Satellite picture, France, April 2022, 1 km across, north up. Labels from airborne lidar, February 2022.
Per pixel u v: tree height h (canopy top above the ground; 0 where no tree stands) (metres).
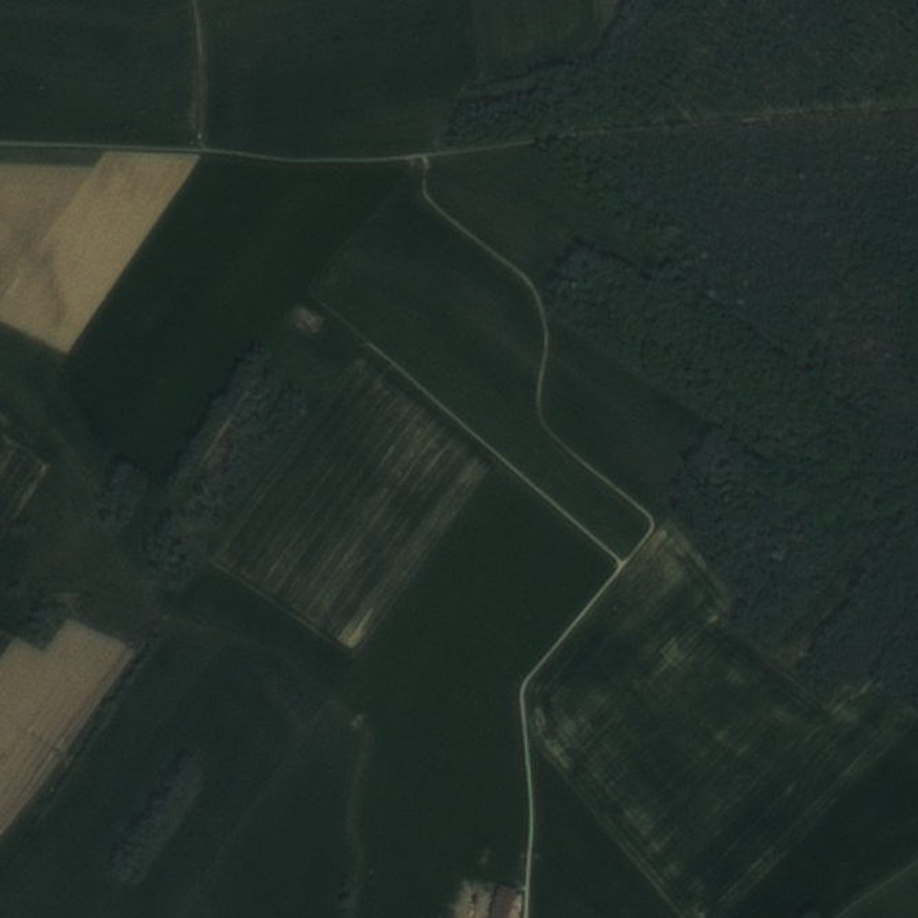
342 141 0
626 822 0
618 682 0
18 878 0
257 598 0
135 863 26
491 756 0
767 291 19
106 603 0
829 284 19
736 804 0
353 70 0
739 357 29
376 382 0
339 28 0
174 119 0
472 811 0
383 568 0
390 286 0
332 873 0
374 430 0
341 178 0
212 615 0
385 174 0
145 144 0
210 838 0
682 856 0
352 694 0
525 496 0
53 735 0
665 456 0
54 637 20
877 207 17
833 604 0
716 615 0
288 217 0
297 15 0
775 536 18
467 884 0
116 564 0
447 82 0
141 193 0
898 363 13
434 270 0
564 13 0
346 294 0
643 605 0
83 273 0
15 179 0
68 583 0
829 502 24
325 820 0
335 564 0
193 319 0
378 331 0
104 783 0
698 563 0
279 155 0
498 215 0
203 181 0
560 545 0
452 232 0
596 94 25
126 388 0
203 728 0
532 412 0
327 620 0
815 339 20
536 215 0
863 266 12
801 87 16
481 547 0
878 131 16
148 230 0
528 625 0
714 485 14
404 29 0
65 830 0
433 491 0
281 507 0
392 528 0
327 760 0
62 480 0
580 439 0
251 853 0
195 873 0
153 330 0
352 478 0
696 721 0
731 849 0
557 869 0
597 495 0
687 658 0
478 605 0
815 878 0
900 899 0
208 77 0
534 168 0
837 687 12
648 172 20
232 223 0
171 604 0
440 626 0
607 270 31
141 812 0
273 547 0
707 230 19
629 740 0
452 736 0
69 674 0
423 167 0
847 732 0
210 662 0
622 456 0
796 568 19
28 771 0
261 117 0
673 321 30
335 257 0
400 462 0
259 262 0
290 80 0
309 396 0
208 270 0
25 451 0
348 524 0
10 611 0
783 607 25
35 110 0
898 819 0
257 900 0
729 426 18
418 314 0
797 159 18
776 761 0
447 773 0
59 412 0
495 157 0
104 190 0
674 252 20
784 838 0
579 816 0
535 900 0
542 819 0
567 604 0
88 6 0
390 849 0
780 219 17
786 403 27
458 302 0
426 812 0
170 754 0
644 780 0
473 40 0
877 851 0
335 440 0
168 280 0
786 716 0
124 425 0
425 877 0
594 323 18
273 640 0
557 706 0
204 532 12
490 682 0
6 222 0
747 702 0
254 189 0
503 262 0
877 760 0
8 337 0
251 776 0
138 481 18
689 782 0
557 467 0
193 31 0
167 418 0
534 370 0
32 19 0
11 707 0
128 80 0
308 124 0
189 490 0
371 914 0
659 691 0
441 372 0
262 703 0
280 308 0
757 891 0
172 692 0
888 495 15
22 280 0
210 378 0
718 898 0
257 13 0
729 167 19
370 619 0
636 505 0
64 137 0
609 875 0
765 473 23
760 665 0
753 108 16
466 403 0
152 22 0
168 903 0
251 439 12
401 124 0
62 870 0
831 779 0
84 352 0
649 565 0
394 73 0
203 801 0
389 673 0
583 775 0
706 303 25
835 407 23
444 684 0
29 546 0
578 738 0
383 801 0
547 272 0
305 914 0
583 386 0
